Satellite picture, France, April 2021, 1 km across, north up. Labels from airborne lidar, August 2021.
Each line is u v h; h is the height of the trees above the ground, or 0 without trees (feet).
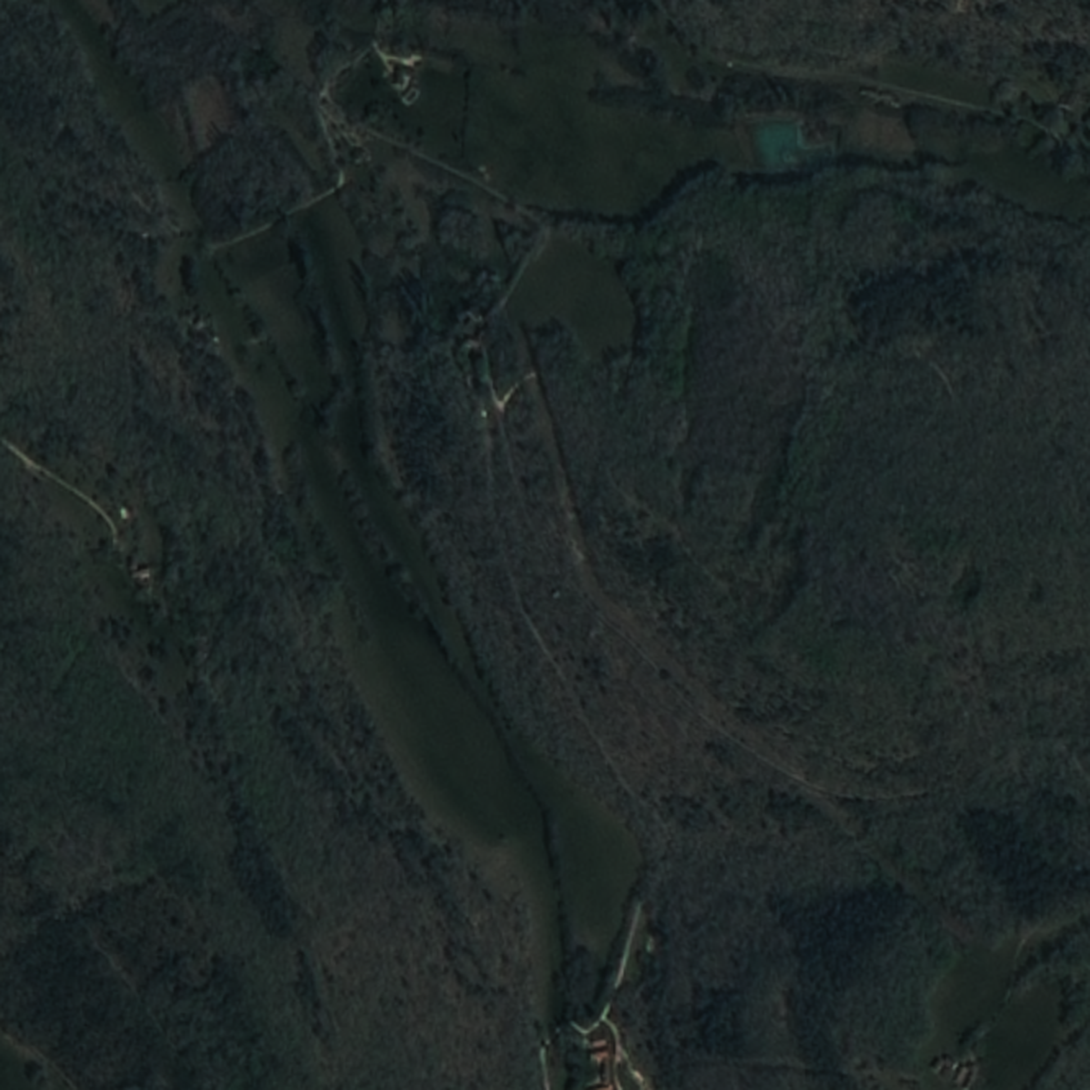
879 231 57
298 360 0
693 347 41
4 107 66
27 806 47
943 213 53
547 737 58
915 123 57
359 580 0
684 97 18
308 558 71
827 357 41
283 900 48
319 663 31
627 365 49
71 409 65
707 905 34
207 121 0
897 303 77
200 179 39
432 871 57
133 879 35
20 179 54
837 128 26
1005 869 78
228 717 44
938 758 27
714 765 29
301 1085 67
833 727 37
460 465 32
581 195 0
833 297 61
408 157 21
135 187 36
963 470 43
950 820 74
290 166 101
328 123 51
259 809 56
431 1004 44
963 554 44
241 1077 38
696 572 34
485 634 43
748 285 52
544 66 0
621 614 40
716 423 41
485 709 34
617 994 29
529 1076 71
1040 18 44
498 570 37
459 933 59
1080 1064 61
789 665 35
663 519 29
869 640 66
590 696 17
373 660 0
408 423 35
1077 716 55
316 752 43
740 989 38
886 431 51
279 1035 52
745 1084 45
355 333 0
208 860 57
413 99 0
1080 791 61
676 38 48
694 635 40
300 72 0
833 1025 43
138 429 70
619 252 71
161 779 52
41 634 52
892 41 71
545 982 0
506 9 37
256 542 63
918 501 43
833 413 65
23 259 42
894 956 77
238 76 30
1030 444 46
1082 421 47
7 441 37
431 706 0
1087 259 55
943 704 58
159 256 67
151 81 40
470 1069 37
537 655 36
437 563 56
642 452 58
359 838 39
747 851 33
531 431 42
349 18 0
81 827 54
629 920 45
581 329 0
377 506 0
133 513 33
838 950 95
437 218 25
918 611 55
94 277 46
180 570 68
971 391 43
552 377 68
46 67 73
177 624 42
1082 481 49
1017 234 68
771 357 31
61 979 32
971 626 63
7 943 42
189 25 33
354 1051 54
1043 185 0
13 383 64
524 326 0
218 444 40
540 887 0
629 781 22
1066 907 69
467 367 27
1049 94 0
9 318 46
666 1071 38
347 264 0
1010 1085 0
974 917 59
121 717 52
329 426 43
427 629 37
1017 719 66
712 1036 53
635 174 0
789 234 61
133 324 46
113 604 0
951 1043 0
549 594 42
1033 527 56
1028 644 43
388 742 0
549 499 33
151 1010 41
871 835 67
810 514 55
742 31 39
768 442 28
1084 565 50
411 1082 54
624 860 0
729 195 72
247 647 43
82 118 63
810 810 30
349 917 54
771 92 26
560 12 50
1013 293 53
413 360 43
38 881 42
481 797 0
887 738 39
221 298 0
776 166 20
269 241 25
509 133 0
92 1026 20
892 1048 45
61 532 28
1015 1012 0
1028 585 45
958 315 73
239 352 39
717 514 49
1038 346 28
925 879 55
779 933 38
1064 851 93
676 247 52
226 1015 31
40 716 46
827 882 74
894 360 22
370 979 47
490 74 0
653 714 50
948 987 0
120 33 27
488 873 0
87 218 58
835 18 68
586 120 0
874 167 47
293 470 28
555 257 0
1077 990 33
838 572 66
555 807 0
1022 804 80
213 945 45
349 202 21
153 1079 56
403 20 61
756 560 40
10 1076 0
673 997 32
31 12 72
